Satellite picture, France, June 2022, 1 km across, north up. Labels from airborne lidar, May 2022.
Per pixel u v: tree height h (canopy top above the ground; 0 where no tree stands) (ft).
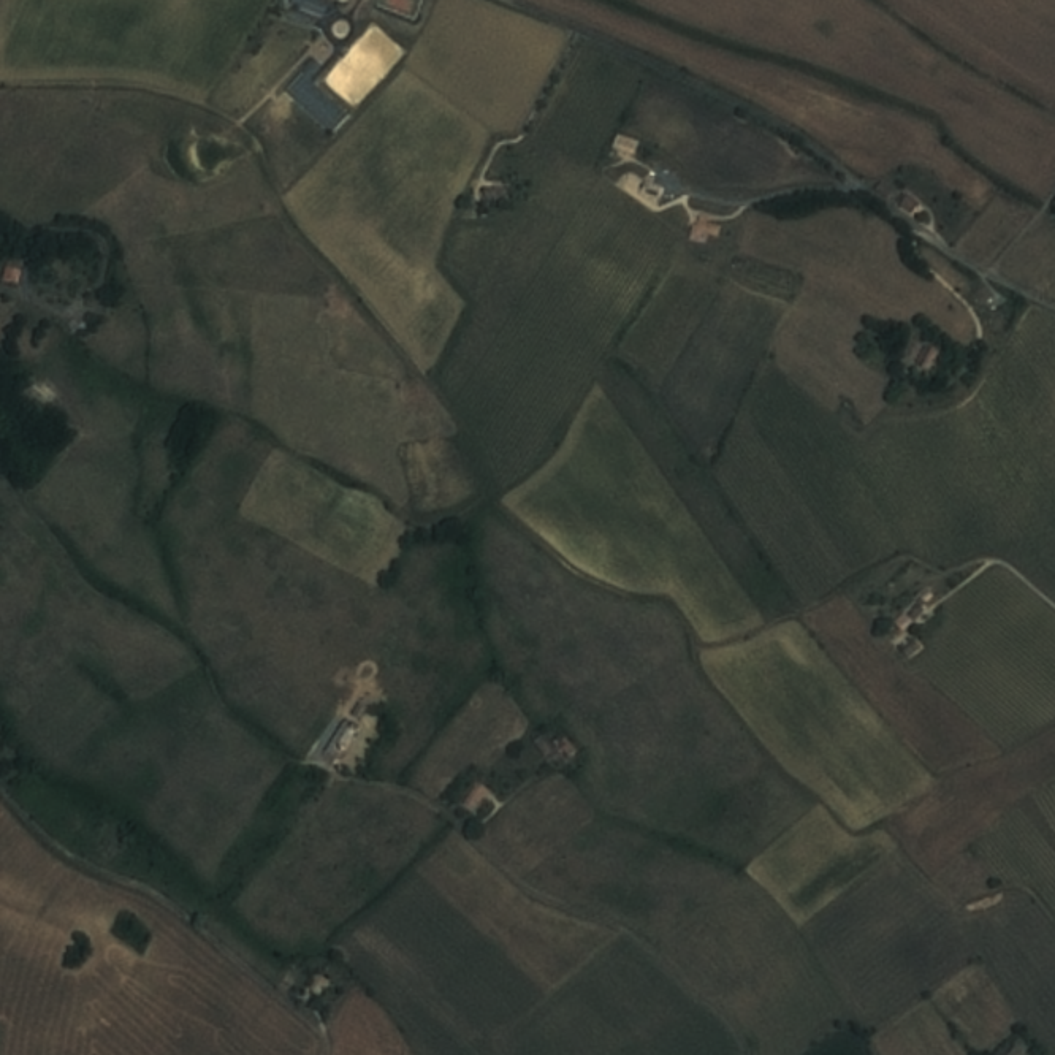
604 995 0
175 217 0
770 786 0
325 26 0
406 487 0
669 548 0
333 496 0
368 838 0
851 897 0
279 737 0
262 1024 0
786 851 0
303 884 0
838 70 0
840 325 0
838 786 0
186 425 31
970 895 0
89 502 0
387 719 59
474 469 0
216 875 0
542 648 0
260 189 0
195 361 0
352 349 0
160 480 0
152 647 0
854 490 0
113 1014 0
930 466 0
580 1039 0
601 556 0
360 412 0
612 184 0
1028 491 0
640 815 0
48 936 0
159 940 0
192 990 0
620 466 0
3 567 0
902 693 0
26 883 0
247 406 0
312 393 0
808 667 0
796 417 0
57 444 39
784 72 0
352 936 0
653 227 0
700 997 0
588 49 0
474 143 0
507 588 0
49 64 0
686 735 0
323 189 0
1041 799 0
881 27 0
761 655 0
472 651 0
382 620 0
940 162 0
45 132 0
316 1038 0
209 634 0
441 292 0
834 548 0
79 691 0
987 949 0
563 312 0
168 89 0
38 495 0
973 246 0
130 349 0
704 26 0
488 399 0
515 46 0
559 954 0
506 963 0
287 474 0
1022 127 0
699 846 0
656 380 0
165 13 0
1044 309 0
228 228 0
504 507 0
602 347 0
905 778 0
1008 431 0
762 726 0
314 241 0
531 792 0
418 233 0
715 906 0
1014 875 0
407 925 0
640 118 0
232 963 0
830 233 0
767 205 36
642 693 0
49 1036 0
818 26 0
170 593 0
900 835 0
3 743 27
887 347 24
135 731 0
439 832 0
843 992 0
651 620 0
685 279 0
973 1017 0
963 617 0
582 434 0
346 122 0
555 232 0
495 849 0
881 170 0
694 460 19
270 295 0
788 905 0
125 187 0
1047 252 0
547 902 0
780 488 0
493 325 0
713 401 0
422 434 0
